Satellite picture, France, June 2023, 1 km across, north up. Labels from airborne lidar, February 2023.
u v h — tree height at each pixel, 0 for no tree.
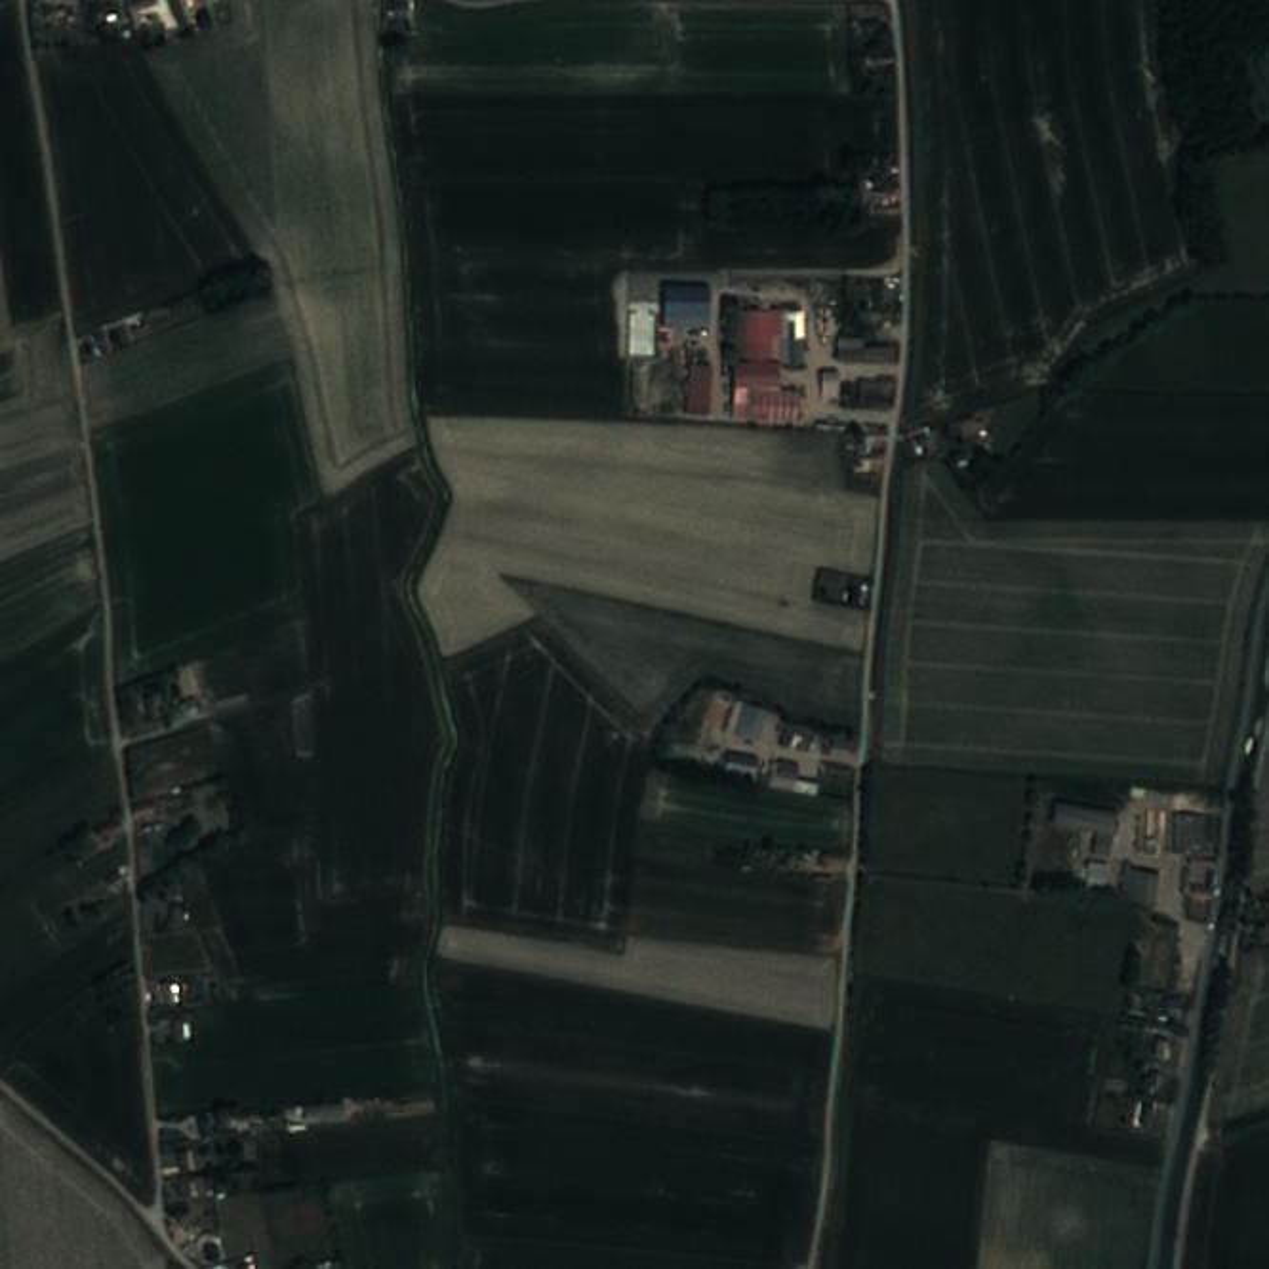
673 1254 0
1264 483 0
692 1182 0
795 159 0
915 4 0
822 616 0
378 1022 0
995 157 0
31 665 0
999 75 0
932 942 0
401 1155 0
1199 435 0
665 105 0
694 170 0
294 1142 0
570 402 0
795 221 9
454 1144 0
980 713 0
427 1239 0
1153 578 0
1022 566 0
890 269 0
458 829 0
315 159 0
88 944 0
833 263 0
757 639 0
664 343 0
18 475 0
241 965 0
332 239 0
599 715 0
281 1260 0
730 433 0
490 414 0
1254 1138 0
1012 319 0
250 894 0
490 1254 0
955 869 0
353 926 0
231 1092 0
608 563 0
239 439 0
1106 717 0
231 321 0
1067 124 0
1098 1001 0
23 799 0
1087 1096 0
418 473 0
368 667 0
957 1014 0
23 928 0
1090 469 0
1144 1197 0
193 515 0
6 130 0
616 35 0
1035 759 0
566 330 0
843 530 0
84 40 0
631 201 0
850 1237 0
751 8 0
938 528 0
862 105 0
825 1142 0
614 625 0
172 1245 0
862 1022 0
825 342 0
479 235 0
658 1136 0
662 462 0
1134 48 0
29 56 0
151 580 0
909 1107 0
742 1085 0
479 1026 0
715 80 0
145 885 11
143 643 0
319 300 0
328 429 0
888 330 0
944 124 0
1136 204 0
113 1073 0
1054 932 0
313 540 0
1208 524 0
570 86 0
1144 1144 0
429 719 0
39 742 0
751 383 0
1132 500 0
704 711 0
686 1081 0
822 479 0
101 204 0
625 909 0
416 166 0
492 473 0
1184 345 0
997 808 0
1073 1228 0
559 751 0
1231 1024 0
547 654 0
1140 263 0
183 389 0
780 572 0
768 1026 0
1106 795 0
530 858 0
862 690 0
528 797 0
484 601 0
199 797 0
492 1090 0
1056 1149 0
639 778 0
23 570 0
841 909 0
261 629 0
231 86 0
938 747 0
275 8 0
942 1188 0
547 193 0
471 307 0
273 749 0
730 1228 0
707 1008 0
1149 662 0
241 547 0
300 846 0
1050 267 0
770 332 0
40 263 0
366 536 0
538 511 0
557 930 0
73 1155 0
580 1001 0
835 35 0
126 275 0
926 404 0
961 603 0
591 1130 0
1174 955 0
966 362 0
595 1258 0
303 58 0
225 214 0
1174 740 0
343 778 0
